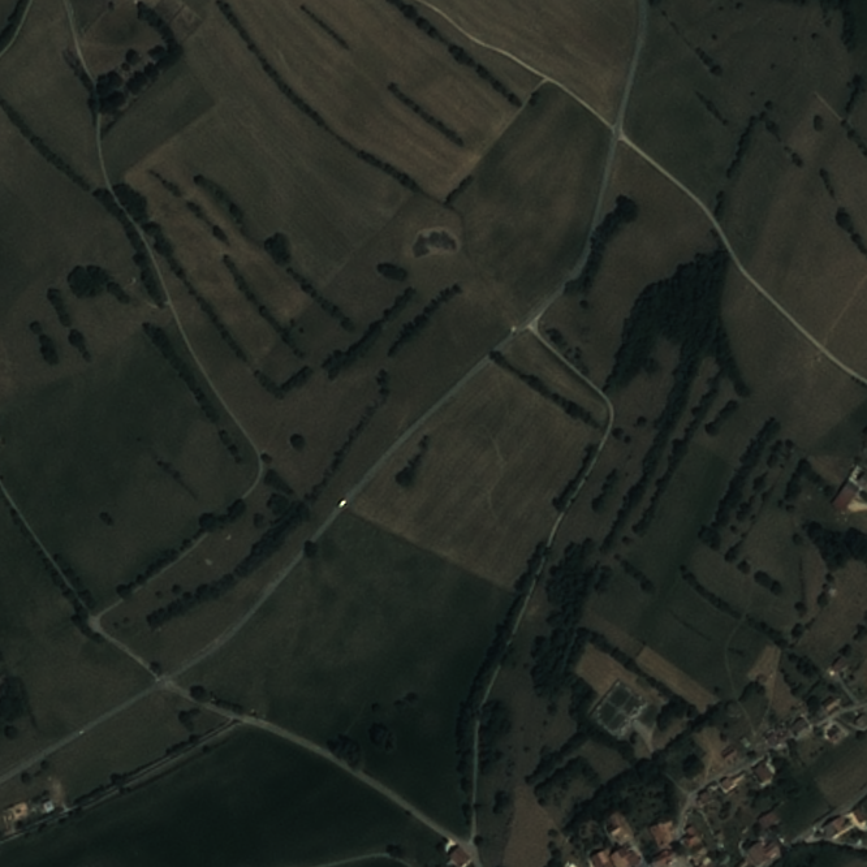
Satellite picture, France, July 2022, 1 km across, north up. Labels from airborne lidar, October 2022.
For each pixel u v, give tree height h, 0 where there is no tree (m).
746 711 0
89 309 0
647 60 0
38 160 0
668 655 0
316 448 0
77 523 0
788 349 0
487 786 0
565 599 5
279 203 0
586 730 8
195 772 0
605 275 0
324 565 0
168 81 0
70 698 0
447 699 0
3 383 0
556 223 0
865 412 0
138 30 0
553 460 0
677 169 0
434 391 0
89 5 0
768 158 0
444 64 0
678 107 0
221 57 0
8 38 9
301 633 0
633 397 0
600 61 0
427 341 0
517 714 0
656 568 0
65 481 0
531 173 0
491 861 0
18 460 0
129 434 0
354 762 26
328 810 0
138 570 0
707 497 0
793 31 0
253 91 0
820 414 0
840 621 0
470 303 0
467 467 0
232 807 0
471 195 0
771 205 0
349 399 0
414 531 0
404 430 0
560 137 0
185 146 0
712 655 0
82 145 0
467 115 0
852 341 0
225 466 0
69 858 0
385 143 0
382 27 0
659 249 0
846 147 0
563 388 0
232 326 0
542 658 7
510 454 0
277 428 0
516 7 0
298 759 0
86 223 0
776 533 0
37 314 0
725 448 0
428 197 0
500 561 0
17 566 0
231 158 0
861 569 0
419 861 0
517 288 0
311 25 0
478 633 0
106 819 0
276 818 0
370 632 0
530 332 0
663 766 14
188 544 9
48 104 0
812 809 0
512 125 0
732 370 7
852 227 10
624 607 0
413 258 0
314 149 0
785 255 0
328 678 0
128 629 0
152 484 0
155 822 0
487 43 0
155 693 0
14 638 0
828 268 0
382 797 0
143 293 0
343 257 0
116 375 0
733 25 0
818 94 0
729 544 0
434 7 0
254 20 0
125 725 0
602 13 0
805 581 0
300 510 11
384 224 0
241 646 0
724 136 0
